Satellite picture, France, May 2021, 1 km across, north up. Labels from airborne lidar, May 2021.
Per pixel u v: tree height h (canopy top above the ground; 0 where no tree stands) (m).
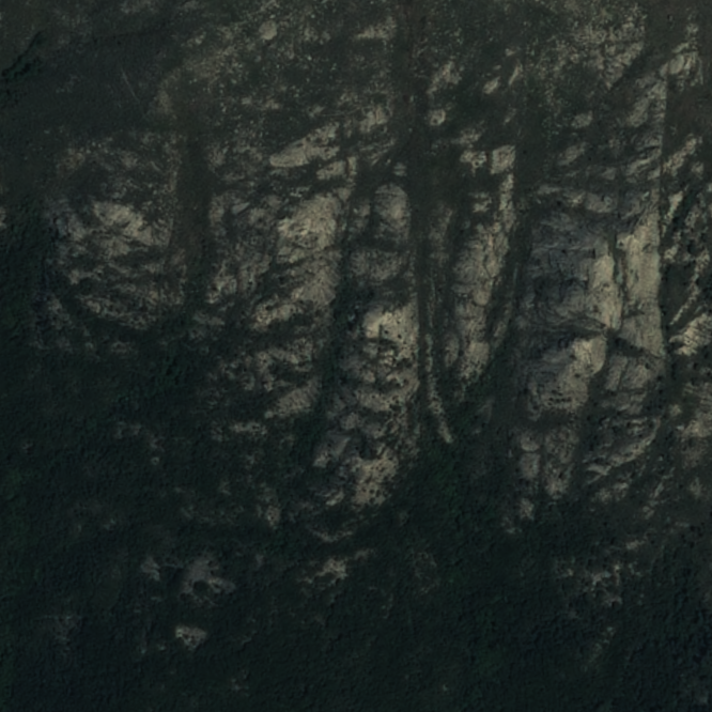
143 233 0
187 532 17
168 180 0
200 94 0
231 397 7
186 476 6
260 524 7
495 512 8
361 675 9
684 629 11
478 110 0
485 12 0
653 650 7
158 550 6
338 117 0
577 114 0
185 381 9
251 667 11
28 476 23
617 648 15
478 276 0
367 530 7
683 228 6
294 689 14
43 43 16
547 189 0
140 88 0
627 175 0
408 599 7
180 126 0
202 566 0
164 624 11
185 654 7
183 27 0
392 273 0
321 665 8
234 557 10
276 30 0
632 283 0
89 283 8
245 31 0
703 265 0
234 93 0
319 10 0
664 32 0
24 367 7
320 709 13
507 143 0
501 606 18
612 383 0
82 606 6
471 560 12
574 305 0
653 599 9
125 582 11
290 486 8
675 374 12
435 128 0
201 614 6
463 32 0
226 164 0
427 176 0
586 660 7
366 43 0
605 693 13
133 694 10
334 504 7
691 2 0
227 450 6
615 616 9
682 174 0
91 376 7
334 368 9
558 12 0
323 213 0
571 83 0
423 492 8
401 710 9
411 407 7
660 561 8
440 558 14
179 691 9
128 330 6
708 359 12
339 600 12
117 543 14
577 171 0
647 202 0
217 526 7
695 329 0
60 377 7
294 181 0
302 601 12
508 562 8
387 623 10
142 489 12
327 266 0
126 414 11
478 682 14
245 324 7
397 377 0
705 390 0
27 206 10
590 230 0
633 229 0
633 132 0
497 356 11
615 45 0
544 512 6
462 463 7
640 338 0
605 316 0
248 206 0
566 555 7
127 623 8
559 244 0
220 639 9
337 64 0
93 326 7
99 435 7
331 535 5
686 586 11
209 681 11
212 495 8
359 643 8
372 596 8
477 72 0
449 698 12
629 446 0
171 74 0
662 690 13
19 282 10
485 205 0
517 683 11
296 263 6
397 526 12
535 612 9
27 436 17
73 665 8
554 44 0
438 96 0
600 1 0
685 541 12
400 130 0
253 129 0
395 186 0
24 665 16
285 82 0
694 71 0
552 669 8
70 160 0
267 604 8
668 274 12
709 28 0
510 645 14
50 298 9
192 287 7
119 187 0
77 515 8
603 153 0
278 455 6
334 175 0
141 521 7
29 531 22
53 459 19
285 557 6
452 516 8
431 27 0
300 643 12
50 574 7
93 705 13
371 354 0
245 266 0
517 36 0
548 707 7
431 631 9
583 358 0
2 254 10
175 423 8
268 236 0
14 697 16
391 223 0
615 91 0
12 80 16
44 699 16
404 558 10
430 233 0
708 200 0
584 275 0
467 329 0
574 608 7
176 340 9
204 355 6
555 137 0
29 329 12
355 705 8
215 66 0
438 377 7
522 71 0
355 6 0
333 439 0
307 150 0
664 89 0
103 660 11
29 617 18
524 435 0
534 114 0
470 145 0
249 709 12
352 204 0
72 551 14
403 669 15
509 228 0
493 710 13
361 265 0
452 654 10
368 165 0
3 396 8
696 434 0
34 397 8
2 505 15
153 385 15
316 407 6
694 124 0
